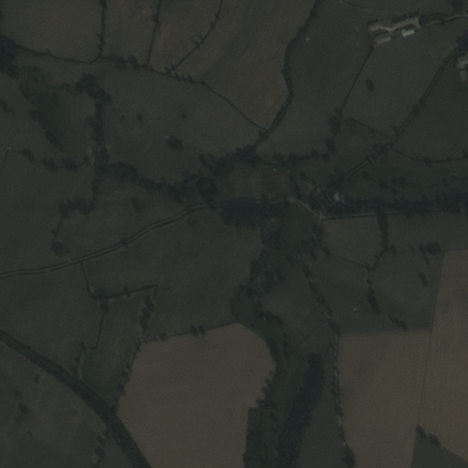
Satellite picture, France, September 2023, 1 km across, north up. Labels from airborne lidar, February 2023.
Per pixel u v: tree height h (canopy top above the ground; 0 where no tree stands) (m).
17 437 0
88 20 0
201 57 0
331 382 0
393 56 0
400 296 0
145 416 0
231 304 0
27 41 0
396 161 0
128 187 0
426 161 15
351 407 0
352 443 0
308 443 0
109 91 0
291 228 0
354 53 0
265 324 0
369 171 0
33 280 0
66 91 0
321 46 0
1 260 0
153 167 0
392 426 0
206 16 0
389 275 0
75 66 0
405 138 0
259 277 0
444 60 0
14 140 0
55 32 0
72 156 0
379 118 0
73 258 0
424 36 0
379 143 0
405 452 0
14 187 0
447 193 0
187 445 0
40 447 0
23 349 8
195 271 0
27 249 0
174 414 0
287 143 0
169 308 0
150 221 0
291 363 0
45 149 0
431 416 0
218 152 0
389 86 0
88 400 17
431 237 0
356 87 0
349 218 0
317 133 0
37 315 0
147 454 0
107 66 0
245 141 0
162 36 0
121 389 14
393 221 0
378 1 0
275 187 0
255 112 0
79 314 0
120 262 0
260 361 0
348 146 0
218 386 0
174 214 0
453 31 0
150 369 0
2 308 0
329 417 0
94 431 0
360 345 0
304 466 0
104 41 15
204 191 21
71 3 0
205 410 0
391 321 12
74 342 0
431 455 0
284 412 0
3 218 0
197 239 0
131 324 0
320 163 0
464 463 0
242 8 0
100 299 21
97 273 0
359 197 0
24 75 0
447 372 0
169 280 0
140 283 0
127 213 0
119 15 0
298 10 0
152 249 0
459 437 0
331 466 0
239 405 0
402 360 0
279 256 0
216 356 0
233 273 0
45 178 0
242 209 21
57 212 0
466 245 0
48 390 0
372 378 0
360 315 0
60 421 0
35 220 0
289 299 0
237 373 0
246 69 0
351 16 0
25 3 0
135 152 0
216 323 0
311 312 0
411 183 0
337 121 16
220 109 0
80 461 0
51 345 0
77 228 0
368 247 0
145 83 0
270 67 0
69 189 0
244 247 0
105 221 0
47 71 0
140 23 0
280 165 21
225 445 0
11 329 0
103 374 0
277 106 0
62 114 0
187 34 0
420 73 0
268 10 0
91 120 0
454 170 0
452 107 0
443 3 0
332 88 0
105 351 0
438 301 0
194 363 0
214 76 0
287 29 0
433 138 0
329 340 0
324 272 0
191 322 0
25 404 0
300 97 0
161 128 0
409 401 0
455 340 0
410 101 0
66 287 0
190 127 0
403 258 0
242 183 0
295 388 0
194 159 0
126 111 0
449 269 0
